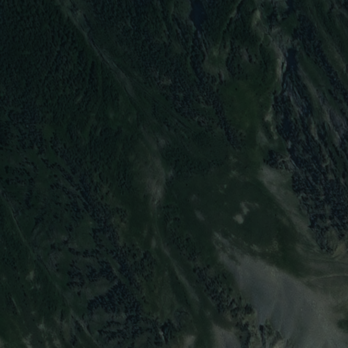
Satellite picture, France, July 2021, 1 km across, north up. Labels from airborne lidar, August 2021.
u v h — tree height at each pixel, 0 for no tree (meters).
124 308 0
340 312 0
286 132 9
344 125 0
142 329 10
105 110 10
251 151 0
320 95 0
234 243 0
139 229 0
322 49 5
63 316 10
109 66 0
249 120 0
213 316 0
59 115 12
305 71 0
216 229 0
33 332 0
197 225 0
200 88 9
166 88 11
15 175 0
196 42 9
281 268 0
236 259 0
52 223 0
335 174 8
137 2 8
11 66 19
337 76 10
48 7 11
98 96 7
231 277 0
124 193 9
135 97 0
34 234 0
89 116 12
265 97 0
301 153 0
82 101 7
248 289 0
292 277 0
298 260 0
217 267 0
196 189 0
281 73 0
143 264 7
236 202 0
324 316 0
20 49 22
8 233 9
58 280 0
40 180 0
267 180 0
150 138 0
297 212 0
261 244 0
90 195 8
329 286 0
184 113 13
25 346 0
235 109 0
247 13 10
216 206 0
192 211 0
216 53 0
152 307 0
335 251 0
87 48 12
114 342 0
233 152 0
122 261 12
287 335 0
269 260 0
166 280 0
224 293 7
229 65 8
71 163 14
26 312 0
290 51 0
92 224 0
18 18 18
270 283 0
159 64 8
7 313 0
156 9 17
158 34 9
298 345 0
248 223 0
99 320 0
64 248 0
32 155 0
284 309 0
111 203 0
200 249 0
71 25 6
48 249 0
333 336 0
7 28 15
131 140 7
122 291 11
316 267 0
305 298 0
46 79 10
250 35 9
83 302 0
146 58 11
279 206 0
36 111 8
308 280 0
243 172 0
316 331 0
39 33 19
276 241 0
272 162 11
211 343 0
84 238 0
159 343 10
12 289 0
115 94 8
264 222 0
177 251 0
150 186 0
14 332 0
